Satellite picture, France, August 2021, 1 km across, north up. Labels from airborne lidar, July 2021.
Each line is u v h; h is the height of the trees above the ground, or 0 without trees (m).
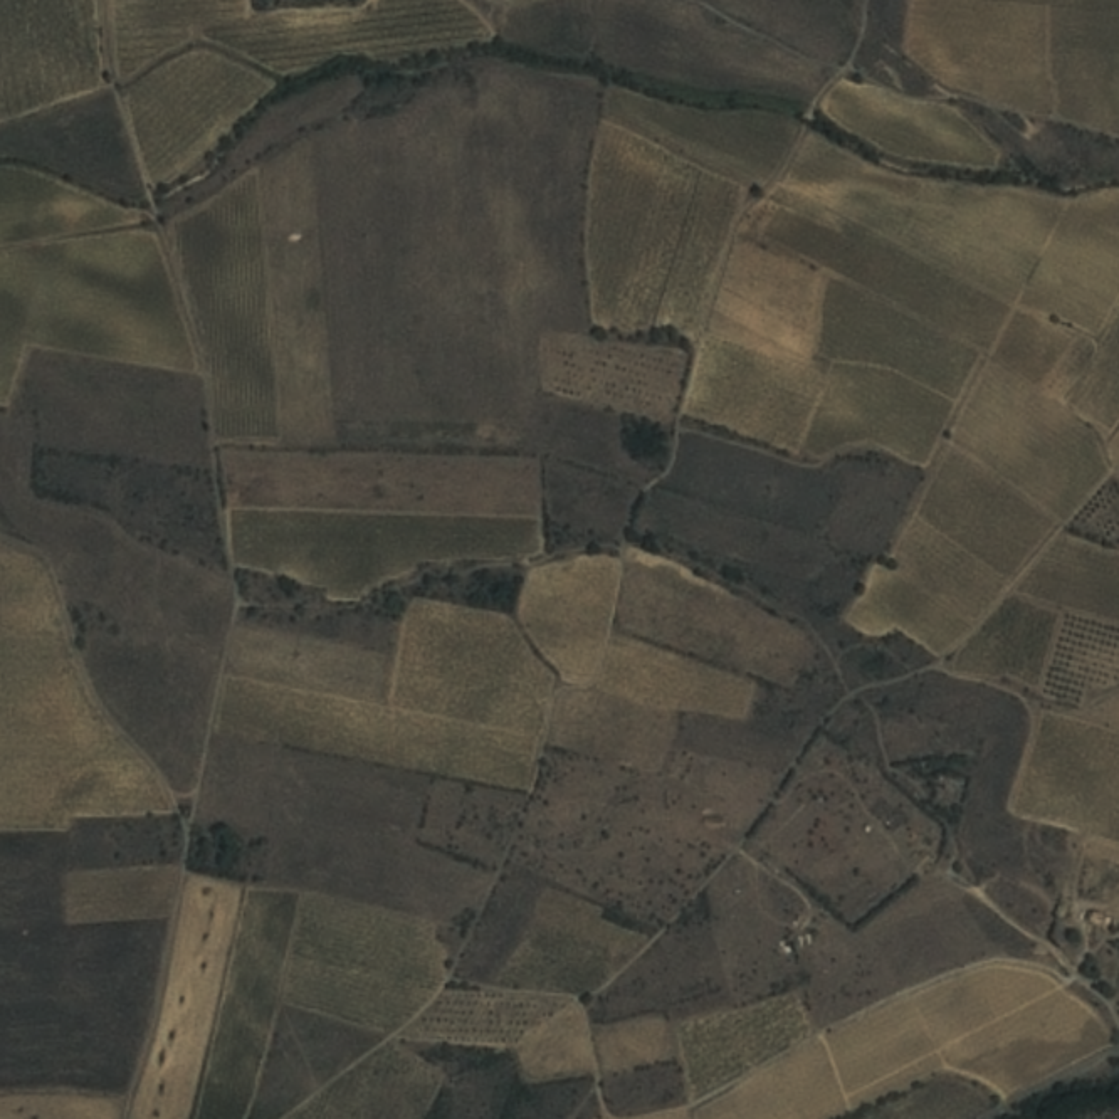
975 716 0
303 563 0
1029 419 0
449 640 0
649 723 0
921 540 0
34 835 0
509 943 0
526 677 0
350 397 0
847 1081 0
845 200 0
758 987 0
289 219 0
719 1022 0
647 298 0
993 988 0
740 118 0
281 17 0
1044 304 0
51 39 0
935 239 0
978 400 0
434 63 8
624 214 0
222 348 0
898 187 0
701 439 0
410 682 0
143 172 0
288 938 0
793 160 0
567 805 0
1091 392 0
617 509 0
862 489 0
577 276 0
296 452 0
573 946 0
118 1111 0
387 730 0
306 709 0
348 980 0
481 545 0
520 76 0
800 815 0
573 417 0
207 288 0
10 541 0
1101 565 0
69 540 0
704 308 0
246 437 0
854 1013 0
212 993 0
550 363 0
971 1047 0
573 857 0
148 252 0
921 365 0
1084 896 0
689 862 0
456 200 0
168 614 0
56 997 0
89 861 0
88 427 0
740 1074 0
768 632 0
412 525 0
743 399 0
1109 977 0
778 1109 0
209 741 0
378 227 0
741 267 0
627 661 0
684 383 6
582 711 0
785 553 0
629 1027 0
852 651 0
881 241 0
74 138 0
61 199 0
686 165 0
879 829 0
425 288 0
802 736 0
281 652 0
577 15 0
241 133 8
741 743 0
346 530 0
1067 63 0
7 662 0
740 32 0
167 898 0
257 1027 0
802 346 0
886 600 0
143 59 0
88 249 0
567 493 0
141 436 0
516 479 0
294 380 0
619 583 0
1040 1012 0
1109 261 0
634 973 0
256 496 0
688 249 0
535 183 0
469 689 0
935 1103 0
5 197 0
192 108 0
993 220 0
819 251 0
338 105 0
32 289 0
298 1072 0
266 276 0
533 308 0
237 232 0
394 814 0
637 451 6
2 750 0
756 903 0
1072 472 0
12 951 0
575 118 0
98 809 0
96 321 0
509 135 0
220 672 0
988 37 0
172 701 0
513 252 0
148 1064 0
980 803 0
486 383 0
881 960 0
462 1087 0
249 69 0
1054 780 0
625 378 0
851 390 0
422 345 0
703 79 0
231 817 0
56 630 0
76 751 0
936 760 7
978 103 0
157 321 0
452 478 0
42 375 0
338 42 0
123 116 0
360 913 0
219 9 0
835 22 0
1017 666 0
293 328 0
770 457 0
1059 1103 10
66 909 0
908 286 0
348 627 0
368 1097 0
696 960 0
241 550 0
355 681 0
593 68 10
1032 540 0
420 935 0
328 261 0
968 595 0
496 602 9
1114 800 0
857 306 0
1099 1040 0
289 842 0
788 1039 0
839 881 0
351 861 0
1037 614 0
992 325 0
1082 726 0
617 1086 0
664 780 0
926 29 0
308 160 0
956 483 0
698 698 0
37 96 0
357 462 0
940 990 0
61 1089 0
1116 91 0
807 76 0
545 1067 0
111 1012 0
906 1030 0
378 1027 0
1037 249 0
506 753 0
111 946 0
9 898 0
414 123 0
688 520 0
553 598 0
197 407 0
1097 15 0
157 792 0
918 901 0
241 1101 0
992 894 0
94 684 0
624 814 0
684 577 0
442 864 0
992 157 0
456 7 0
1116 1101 11
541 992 0
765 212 0
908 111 0
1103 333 0
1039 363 0
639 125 0
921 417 0
